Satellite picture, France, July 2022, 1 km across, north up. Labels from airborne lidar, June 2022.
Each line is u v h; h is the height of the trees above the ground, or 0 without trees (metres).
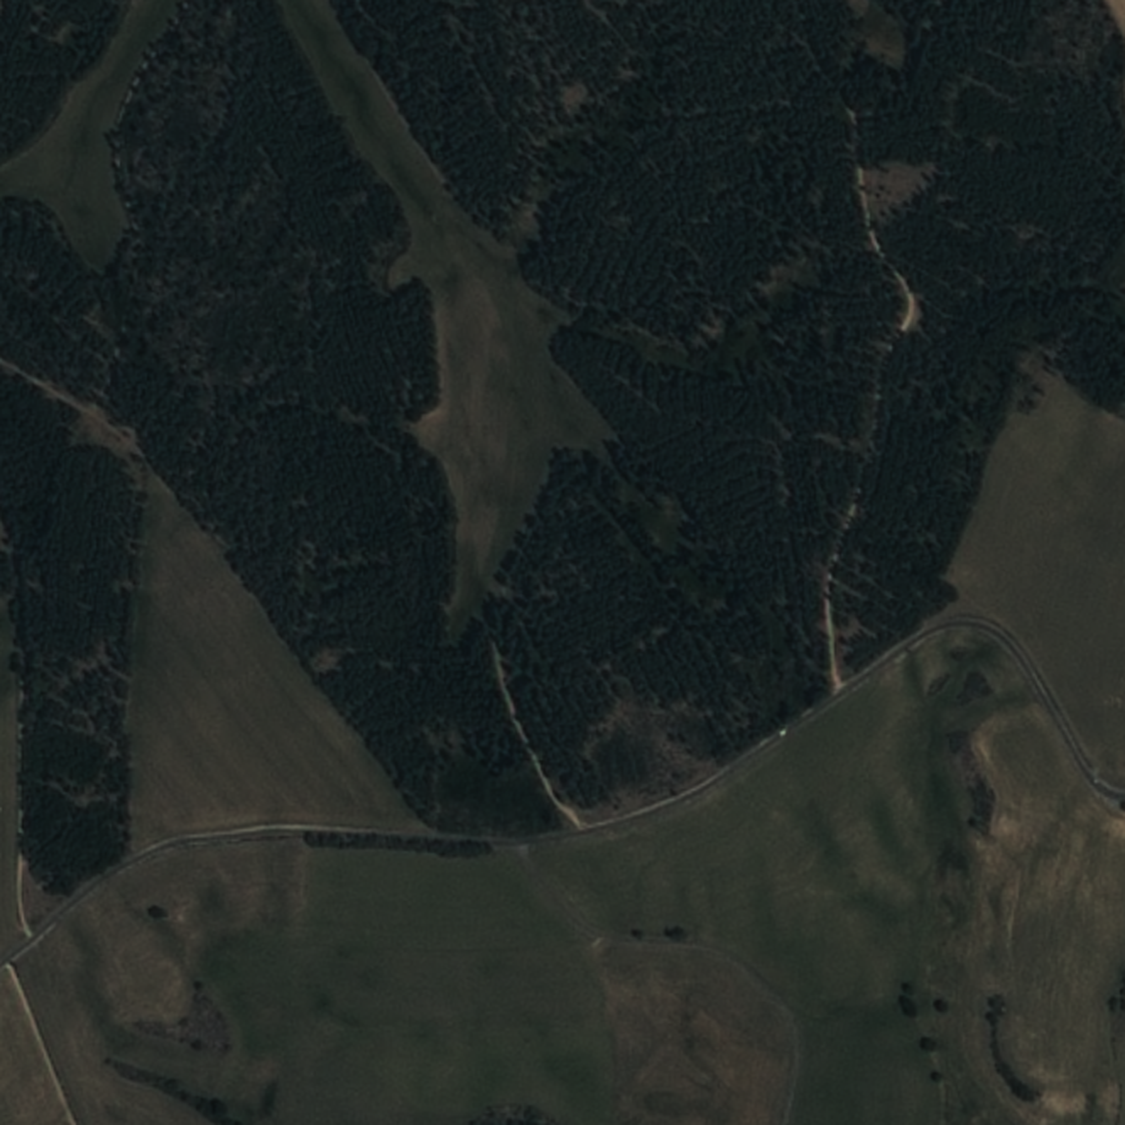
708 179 20
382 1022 0
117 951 0
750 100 15
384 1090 0
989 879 0
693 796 0
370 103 0
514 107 16
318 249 19
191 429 22
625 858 0
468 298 0
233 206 17
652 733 0
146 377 17
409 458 20
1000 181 21
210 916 0
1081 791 0
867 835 0
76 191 0
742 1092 0
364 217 16
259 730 0
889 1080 0
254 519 17
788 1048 0
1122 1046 0
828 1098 0
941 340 18
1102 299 21
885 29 0
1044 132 9
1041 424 0
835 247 19
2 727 0
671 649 21
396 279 0
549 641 15
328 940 0
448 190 11
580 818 0
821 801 0
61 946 0
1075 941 0
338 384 15
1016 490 0
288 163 22
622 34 15
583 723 16
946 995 0
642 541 29
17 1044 0
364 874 0
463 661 23
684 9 20
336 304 21
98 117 0
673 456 11
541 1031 0
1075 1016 0
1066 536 0
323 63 0
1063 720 0
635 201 16
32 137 12
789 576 17
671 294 19
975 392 22
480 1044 0
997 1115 0
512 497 0
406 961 0
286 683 0
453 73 15
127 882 0
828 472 18
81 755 8
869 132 21
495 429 0
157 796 0
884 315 16
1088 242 17
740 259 24
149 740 0
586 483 20
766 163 25
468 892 0
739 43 20
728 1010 0
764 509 14
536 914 0
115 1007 0
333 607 18
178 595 0
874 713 0
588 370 12
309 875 0
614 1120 0
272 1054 0
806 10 20
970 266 17
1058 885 0
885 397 14
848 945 0
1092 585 0
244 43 18
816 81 23
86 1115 0
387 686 17
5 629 0
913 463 19
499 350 0
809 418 14
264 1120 0
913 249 17
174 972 0
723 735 17
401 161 0
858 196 18
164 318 9
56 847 16
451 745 14
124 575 19
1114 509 0
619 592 21
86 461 22
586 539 21
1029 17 13
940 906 0
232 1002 0
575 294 13
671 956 0
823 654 17
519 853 0
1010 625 0
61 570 25
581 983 0
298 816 0
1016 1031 0
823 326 22
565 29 15
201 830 0
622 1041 0
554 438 0
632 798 0
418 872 0
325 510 14
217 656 0
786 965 0
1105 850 0
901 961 0
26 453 16
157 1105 0
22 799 7
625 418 12
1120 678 0
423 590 16
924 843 0
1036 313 30
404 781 18
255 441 19
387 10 19
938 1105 0
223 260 6
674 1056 0
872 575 18
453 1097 0
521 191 23
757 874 0
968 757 0
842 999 0
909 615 20
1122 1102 0
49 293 13
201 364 8
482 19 16
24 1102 0
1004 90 18
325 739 0
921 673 0
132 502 16
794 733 0
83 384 15
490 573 0
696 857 0
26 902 0
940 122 22
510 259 0
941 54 21
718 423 16
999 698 0
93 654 22
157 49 17
